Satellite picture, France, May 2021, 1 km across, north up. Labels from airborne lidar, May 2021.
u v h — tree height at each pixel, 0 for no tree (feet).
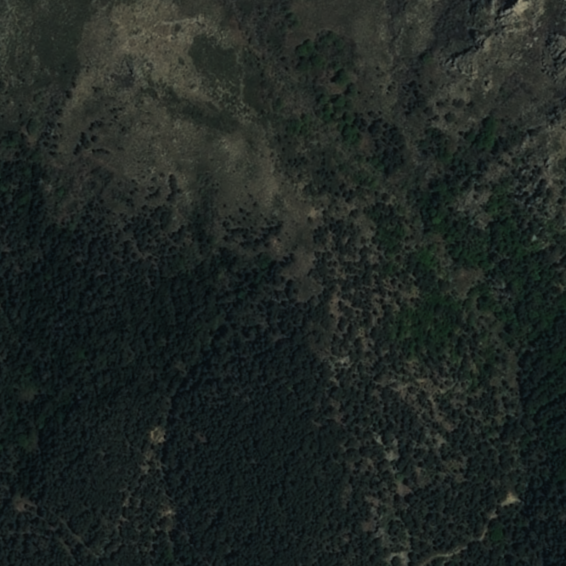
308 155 0
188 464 94
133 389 92
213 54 0
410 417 60
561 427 66
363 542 84
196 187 0
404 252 26
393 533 79
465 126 0
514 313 43
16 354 34
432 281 68
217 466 81
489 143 67
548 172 0
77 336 41
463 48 0
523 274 61
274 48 34
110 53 0
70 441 95
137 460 75
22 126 33
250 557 88
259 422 95
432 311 22
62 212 31
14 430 41
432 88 0
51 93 37
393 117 33
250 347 47
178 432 94
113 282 61
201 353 43
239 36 0
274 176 0
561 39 0
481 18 0
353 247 27
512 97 34
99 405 42
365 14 0
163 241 53
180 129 0
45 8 0
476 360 50
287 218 0
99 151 47
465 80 0
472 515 77
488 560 127
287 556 79
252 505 85
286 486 96
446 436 43
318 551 48
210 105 0
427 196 32
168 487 62
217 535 114
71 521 94
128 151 0
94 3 0
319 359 51
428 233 61
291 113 35
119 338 69
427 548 89
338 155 28
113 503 67
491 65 0
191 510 82
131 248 60
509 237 55
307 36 0
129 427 78
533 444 66
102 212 43
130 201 55
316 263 33
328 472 92
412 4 0
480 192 57
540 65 0
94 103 0
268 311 43
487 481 83
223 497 91
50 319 104
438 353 53
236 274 35
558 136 0
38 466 88
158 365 79
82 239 84
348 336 76
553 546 42
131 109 0
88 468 66
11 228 86
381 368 82
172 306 75
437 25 29
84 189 38
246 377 77
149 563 76
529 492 62
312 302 28
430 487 62
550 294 86
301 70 66
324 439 84
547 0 0
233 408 68
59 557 117
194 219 40
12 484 75
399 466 107
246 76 0
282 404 90
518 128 31
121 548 58
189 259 47
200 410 63
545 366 116
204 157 0
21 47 0
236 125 0
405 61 45
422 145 43
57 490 108
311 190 28
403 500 116
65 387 110
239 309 77
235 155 0
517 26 0
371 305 71
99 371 31
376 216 29
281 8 31
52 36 0
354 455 104
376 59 0
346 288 69
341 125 46
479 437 38
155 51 0
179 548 86
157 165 0
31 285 47
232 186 0
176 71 0
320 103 53
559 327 62
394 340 64
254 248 43
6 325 42
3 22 0
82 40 0
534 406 79
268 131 0
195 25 0
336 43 63
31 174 32
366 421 102
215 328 41
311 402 83
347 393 90
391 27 33
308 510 76
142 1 0
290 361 39
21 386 57
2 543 94
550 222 26
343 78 96
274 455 80
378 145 64
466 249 37
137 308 102
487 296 28
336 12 0
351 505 53
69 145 0
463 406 108
